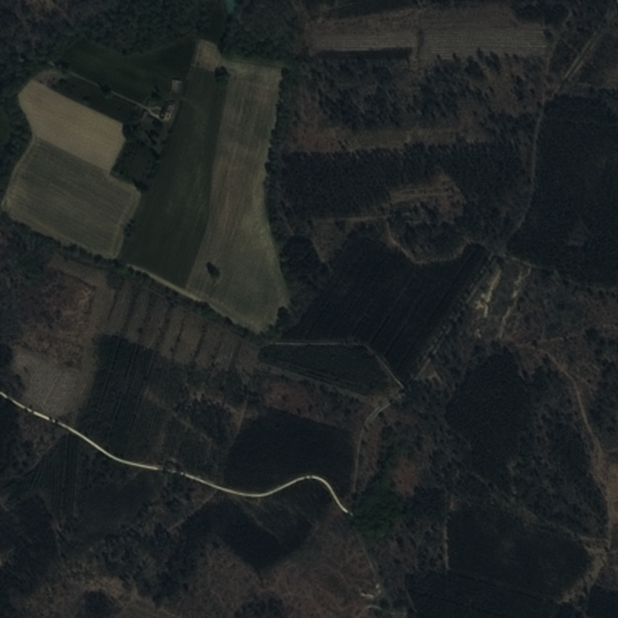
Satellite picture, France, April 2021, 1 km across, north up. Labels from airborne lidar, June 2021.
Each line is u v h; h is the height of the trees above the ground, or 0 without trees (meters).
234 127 0
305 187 21
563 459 16
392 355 11
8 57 16
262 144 0
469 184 16
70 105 0
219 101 0
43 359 0
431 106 15
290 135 9
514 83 6
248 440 8
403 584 8
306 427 7
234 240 0
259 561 7
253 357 0
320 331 8
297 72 16
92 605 12
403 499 14
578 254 17
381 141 0
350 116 14
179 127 0
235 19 15
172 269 0
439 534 16
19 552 10
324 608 0
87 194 0
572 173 14
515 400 17
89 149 0
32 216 0
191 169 0
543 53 0
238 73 0
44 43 20
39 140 0
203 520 7
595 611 11
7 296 7
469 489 19
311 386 9
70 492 7
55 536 8
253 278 0
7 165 9
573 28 15
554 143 12
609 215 16
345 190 20
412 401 18
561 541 9
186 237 0
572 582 9
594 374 6
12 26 7
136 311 0
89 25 10
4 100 15
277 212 9
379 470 10
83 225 0
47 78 0
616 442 0
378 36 0
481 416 18
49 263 7
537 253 16
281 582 0
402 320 9
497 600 14
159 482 0
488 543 11
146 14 17
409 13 0
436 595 14
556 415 19
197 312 10
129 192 0
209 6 17
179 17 19
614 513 0
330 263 7
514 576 11
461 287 9
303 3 10
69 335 0
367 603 0
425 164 17
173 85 0
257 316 0
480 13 0
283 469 7
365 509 15
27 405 0
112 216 0
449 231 18
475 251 8
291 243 7
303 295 8
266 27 15
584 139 15
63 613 0
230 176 0
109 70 0
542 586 10
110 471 12
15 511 8
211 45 0
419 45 0
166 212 0
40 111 0
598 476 0
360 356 8
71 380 0
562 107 16
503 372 16
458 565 10
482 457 18
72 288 0
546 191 15
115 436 8
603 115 16
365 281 8
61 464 7
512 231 12
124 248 0
